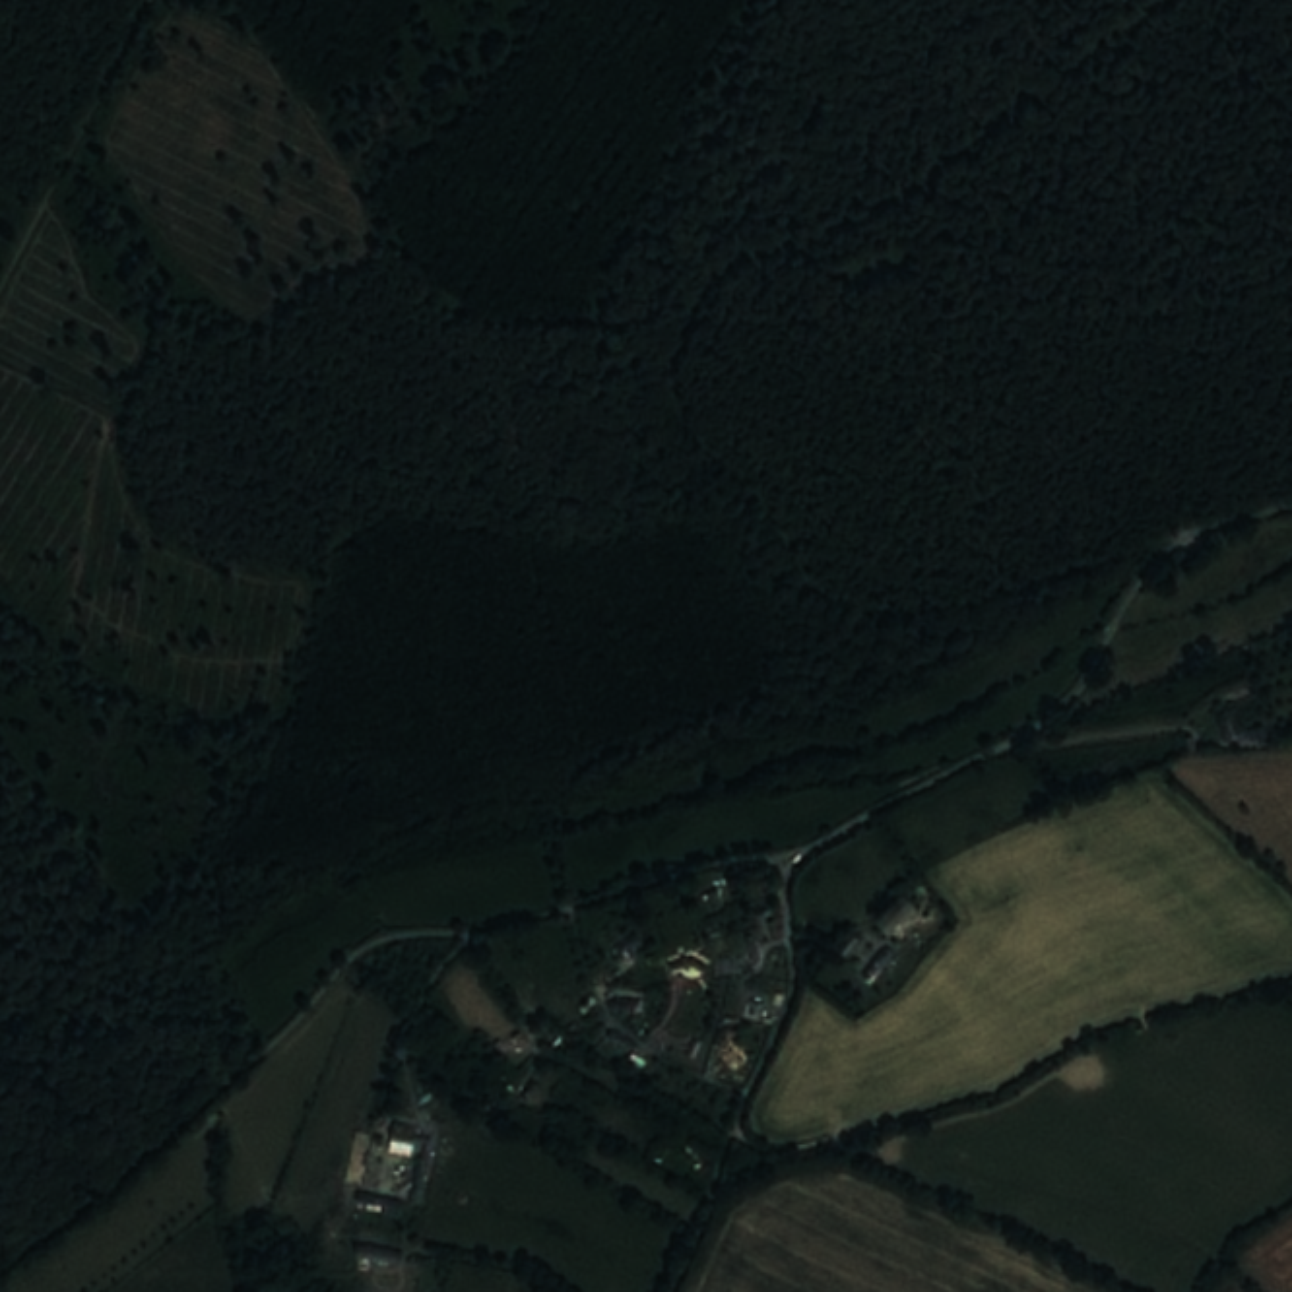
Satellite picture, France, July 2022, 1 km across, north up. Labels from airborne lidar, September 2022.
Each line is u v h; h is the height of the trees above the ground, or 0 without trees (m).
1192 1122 0
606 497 31
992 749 13
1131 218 25
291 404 23
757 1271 0
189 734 17
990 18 23
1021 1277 0
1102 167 23
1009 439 19
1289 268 28
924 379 16
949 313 19
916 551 17
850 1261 0
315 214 0
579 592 14
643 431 15
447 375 20
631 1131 0
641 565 13
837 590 18
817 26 27
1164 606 0
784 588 26
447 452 21
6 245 28
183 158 0
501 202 13
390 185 14
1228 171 23
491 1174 0
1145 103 24
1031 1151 0
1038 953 0
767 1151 14
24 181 20
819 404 17
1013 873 0
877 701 19
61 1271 0
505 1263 12
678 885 21
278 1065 0
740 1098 9
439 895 0
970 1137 0
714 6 14
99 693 27
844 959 7
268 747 25
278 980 0
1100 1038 14
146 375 19
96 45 18
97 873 25
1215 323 15
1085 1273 19
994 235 24
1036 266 26
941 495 17
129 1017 29
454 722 12
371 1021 0
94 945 25
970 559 19
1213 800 0
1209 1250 0
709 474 25
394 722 17
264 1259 23
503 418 22
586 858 0
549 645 11
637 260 29
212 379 23
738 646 15
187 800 0
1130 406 22
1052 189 21
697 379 17
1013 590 19
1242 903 0
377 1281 0
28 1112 30
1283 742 17
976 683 0
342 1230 0
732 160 28
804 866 9
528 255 13
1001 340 19
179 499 21
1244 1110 0
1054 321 19
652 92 13
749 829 0
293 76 13
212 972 22
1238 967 0
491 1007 0
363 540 13
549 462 22
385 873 11
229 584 24
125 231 7
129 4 18
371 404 17
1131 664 0
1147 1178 0
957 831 0
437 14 0
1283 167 22
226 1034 23
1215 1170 0
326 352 18
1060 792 26
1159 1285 0
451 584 12
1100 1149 0
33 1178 32
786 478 17
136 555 26
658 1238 0
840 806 0
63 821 22
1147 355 18
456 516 18
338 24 14
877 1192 0
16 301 0
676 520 15
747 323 15
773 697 22
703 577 15
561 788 16
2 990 22
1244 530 21
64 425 0
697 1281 0
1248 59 23
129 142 0
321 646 11
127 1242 0
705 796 15
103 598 0
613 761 27
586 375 28
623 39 12
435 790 18
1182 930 0
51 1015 17
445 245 12
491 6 8
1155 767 9
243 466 20
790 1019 8
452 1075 6
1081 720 13
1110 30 21
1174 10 20
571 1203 0
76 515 0
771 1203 0
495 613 12
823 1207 0
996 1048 0
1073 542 21
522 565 13
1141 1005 0
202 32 0
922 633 15
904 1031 0
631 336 28
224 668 0
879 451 16
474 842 11
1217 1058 0
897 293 26
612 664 13
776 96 24
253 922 21
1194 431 21
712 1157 6
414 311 18
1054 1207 0
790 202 29
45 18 20
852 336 18
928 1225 0
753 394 13
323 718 14
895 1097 0
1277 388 20
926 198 25
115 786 0
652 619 13
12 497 0
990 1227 10
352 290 17
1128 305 19
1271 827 0
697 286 22
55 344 9
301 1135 7
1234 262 24
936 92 24
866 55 25
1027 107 23
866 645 18
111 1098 30
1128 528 20
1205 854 0
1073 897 0
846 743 0
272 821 14
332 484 18
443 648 12
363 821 14
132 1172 14
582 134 13
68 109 22
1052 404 19
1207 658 20
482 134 14
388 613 12
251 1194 0
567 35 13
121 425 17
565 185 13
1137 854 0
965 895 0
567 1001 0
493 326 17
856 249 24
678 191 16
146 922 24
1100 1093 0
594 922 0
